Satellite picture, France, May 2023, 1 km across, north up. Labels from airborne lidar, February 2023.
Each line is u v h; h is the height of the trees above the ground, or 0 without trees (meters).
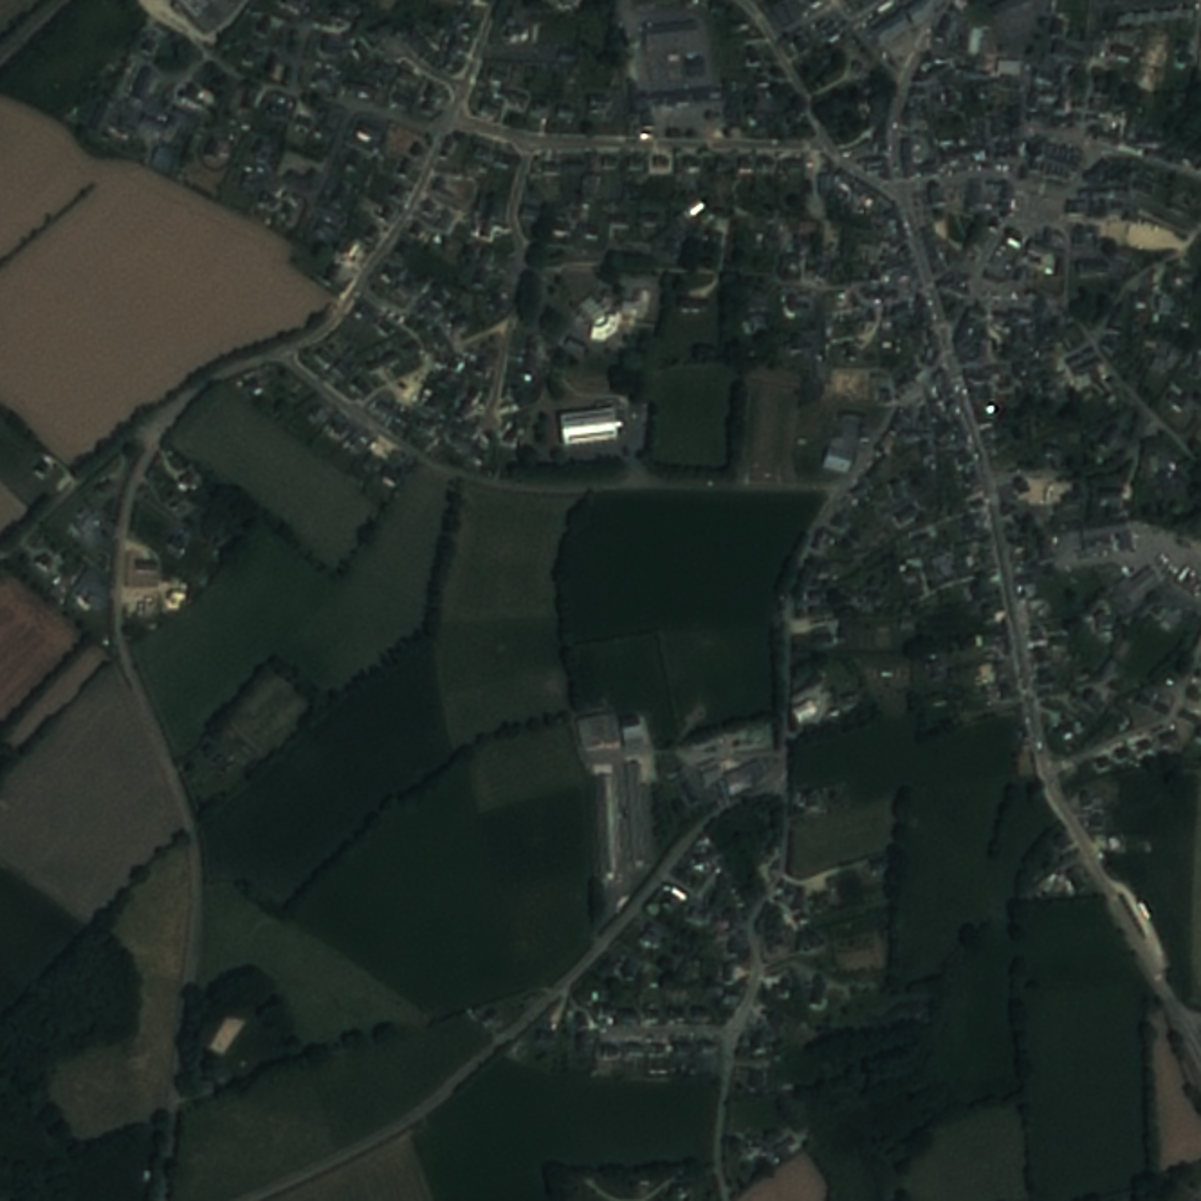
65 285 0
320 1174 0
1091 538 0
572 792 0
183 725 0
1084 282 0
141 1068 0
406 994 0
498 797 0
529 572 0
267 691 0
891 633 0
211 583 6
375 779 0
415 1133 0
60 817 0
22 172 0
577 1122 0
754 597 0
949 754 0
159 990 0
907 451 0
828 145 0
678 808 8
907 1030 18
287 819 0
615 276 12
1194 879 0
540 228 13
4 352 0
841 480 0
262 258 0
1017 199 0
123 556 0
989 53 0
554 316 14
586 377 0
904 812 13
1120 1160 0
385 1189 0
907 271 0
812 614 6
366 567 0
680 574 0
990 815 0
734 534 0
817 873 0
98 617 0
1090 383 0
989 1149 0
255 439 0
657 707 0
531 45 0
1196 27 0
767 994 8
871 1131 0
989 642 0
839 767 0
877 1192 0
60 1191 10
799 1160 0
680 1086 0
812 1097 10
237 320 0
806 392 10
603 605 0
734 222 6
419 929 0
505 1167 0
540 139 0
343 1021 0
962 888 0
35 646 0
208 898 0
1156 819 0
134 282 0
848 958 0
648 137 0
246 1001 20
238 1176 0
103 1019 9
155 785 0
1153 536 0
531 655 0
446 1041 0
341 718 0
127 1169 0
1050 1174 0
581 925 0
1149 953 0
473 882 0
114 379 0
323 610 0
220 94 6
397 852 0
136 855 0
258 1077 13
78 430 0
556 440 0
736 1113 0
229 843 0
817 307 0
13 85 0
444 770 8
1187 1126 0
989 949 0
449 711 0
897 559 6
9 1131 0
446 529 11
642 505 0
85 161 0
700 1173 11
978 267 0
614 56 10
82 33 0
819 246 7
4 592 0
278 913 10
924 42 0
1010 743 0
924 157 0
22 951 0
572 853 0
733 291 18
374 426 0
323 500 0
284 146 6
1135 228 0
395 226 0
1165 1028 0
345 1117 0
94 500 0
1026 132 0
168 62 6
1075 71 9
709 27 0
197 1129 0
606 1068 0
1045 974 0
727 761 0
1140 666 0
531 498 0
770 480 0
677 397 0
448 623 0
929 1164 0
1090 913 0
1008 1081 0
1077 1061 0
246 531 13
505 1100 0
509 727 12
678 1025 0
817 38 0
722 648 0
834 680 0
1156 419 0
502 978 0
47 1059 13
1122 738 0
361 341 0
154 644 0
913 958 0
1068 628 11
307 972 0
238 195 0
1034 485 0
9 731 12
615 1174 12
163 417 0
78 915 0
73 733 0
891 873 11
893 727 0
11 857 0
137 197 0
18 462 0
